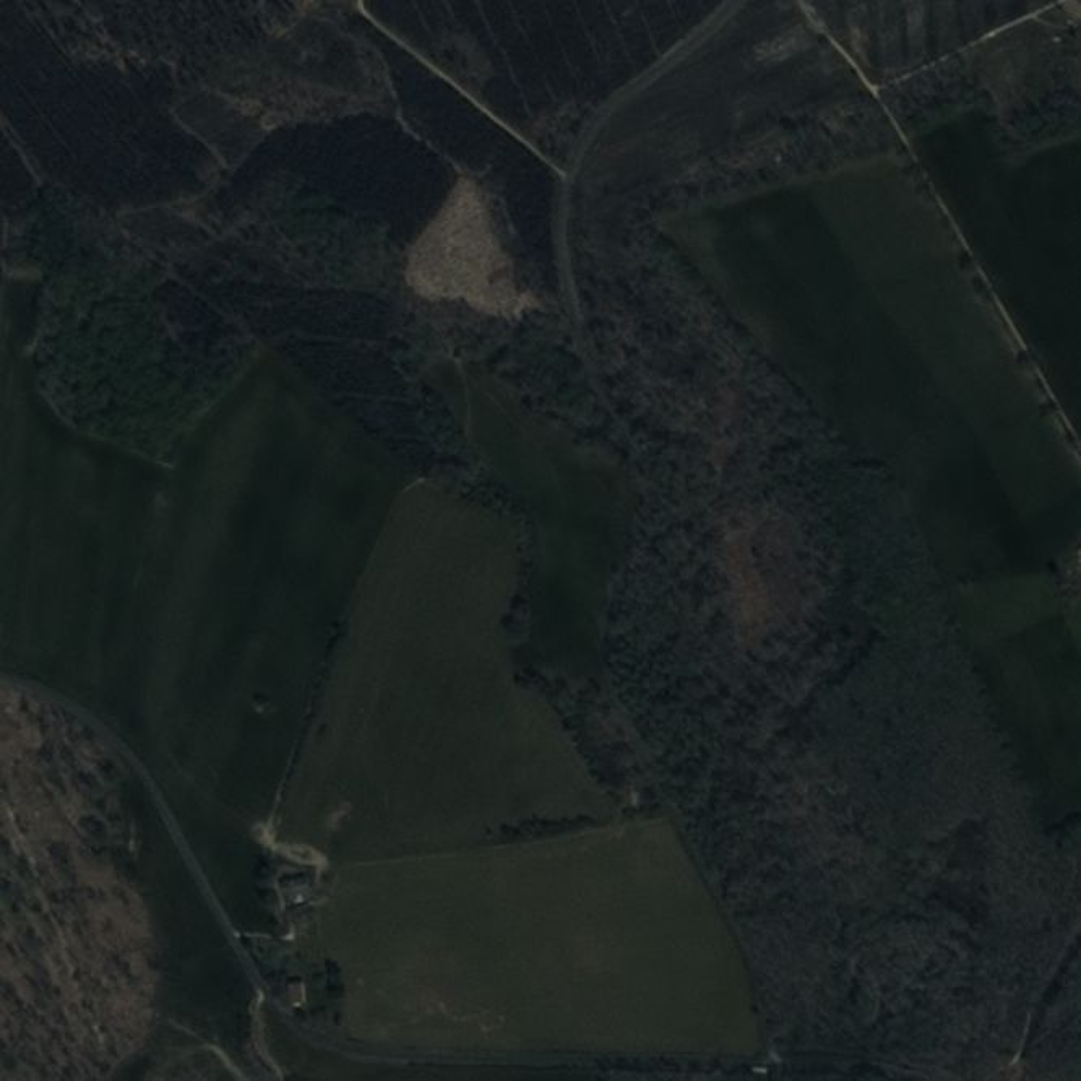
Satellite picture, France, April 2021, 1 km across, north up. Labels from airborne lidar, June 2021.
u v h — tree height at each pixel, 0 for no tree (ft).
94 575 0
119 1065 52
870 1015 69
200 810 0
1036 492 0
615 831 0
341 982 29
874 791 47
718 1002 0
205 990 0
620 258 0
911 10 0
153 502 0
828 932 67
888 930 71
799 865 70
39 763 0
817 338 0
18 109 39
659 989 0
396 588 0
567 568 0
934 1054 61
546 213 32
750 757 51
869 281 0
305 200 64
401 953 0
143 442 53
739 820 63
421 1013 0
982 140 0
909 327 0
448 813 0
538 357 51
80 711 0
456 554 0
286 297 30
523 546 24
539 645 0
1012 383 0
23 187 53
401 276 21
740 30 0
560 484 0
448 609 0
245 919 0
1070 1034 54
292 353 28
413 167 38
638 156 0
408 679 0
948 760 49
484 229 0
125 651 0
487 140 36
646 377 24
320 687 25
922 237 0
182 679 0
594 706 41
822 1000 67
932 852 57
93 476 0
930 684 52
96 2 47
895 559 44
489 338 41
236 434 0
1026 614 0
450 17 26
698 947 0
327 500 0
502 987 0
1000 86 0
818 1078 53
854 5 0
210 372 88
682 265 57
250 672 0
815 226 0
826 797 49
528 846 0
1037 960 73
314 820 0
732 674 62
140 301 58
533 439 0
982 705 39
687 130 0
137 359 62
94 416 61
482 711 0
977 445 0
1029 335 0
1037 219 0
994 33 0
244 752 0
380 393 22
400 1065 0
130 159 43
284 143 34
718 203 56
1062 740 0
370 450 0
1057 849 38
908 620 52
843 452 51
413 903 0
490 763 0
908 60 0
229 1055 0
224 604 0
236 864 0
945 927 80
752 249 0
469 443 55
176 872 0
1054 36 0
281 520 0
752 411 40
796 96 0
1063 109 25
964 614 0
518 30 27
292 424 0
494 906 0
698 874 0
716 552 70
